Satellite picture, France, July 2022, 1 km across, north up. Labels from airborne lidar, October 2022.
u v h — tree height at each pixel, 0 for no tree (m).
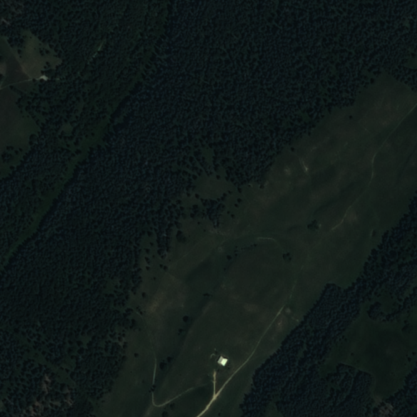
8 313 20
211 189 0
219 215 16
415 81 19
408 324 9
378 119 0
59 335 17
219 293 0
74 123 19
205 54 20
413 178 0
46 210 0
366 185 0
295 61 19
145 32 23
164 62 32
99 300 21
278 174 0
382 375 0
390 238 15
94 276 14
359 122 0
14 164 0
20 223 24
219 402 0
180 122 23
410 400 12
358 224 0
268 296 0
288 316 0
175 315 0
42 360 0
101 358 23
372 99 0
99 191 21
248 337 0
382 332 0
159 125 25
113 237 18
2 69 0
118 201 19
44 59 0
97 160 26
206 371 0
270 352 0
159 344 0
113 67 29
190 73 21
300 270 0
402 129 0
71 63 18
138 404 0
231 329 0
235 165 9
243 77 21
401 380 0
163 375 0
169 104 22
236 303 0
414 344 0
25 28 23
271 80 24
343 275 0
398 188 0
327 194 0
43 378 22
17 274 23
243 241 0
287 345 18
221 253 0
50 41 15
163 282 0
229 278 0
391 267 17
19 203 13
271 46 21
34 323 19
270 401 12
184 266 0
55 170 23
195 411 0
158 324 0
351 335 0
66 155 20
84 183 26
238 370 0
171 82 22
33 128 0
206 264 0
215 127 23
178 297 0
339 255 0
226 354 0
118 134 20
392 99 0
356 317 22
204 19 27
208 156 0
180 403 0
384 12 31
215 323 0
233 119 23
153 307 0
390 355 0
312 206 0
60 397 21
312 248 0
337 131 0
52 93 21
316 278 0
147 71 23
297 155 0
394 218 0
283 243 0
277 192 0
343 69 24
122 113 26
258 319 0
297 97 26
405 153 0
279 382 22
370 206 0
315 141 0
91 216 19
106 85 18
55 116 14
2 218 21
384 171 0
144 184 20
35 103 13
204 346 0
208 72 25
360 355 0
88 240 16
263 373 12
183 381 0
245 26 22
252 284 0
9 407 20
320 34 24
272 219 0
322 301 11
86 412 14
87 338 0
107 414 0
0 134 0
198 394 0
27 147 0
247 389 0
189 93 23
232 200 0
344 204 0
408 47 19
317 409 25
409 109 0
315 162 0
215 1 27
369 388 25
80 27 12
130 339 0
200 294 0
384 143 0
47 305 17
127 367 0
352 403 25
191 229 0
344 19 6
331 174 0
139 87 30
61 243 24
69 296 15
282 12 21
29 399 14
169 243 20
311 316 15
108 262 16
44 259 25
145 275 0
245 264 0
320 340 19
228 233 0
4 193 23
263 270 0
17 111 0
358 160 0
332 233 0
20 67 0
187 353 0
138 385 0
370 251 0
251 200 0
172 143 22
